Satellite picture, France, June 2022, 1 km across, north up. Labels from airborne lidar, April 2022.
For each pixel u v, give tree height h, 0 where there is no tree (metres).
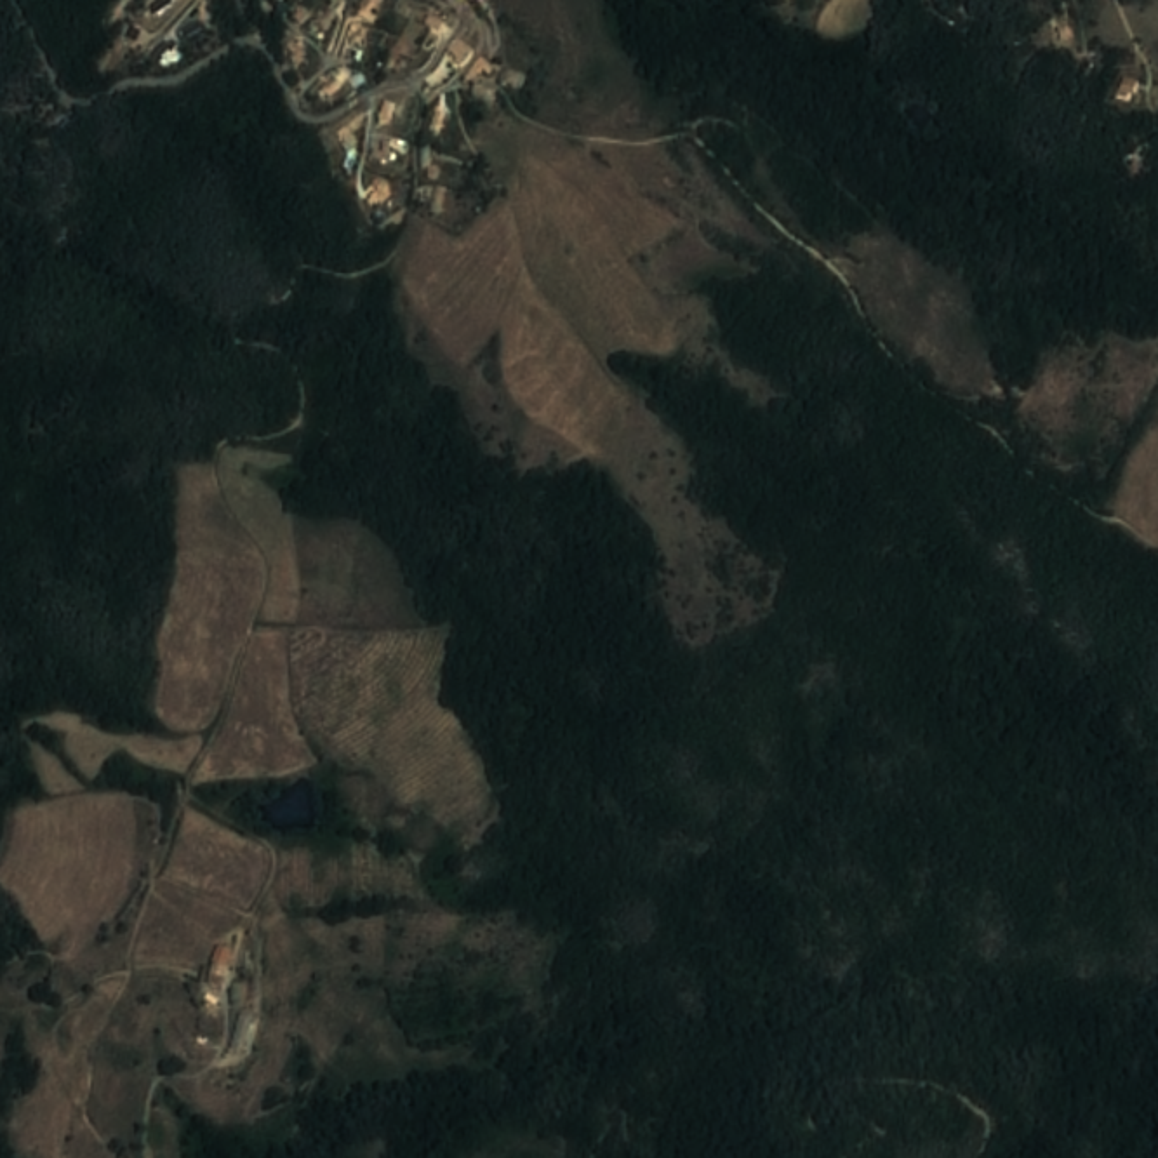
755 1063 17
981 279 10
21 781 12
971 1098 8
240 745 0
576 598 13
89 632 8
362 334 9
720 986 14
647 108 0
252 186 13
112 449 10
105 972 0
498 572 9
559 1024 10
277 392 10
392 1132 14
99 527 12
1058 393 0
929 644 11
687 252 0
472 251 0
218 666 0
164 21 0
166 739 0
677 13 25
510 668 15
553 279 0
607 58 0
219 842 0
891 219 11
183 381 8
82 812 0
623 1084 8
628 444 0
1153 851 6
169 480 10
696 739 9
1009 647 13
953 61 12
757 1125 14
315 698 0
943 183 16
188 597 0
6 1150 7
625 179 0
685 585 0
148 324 16
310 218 9
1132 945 6
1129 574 11
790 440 7
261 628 0
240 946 0
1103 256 14
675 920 10
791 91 13
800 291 7
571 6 0
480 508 19
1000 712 7
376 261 6
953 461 6
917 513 13
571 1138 11
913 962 11
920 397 9
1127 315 9
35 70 8
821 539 10
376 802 0
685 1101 17
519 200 0
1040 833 11
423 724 0
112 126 13
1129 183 11
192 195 12
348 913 13
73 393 12
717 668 7
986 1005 11
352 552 0
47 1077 0
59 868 0
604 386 0
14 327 8
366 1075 0
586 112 0
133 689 6
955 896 11
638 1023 19
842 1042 11
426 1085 18
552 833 7
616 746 8
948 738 14
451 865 12
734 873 14
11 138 9
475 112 9
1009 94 8
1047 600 8
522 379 0
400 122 0
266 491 0
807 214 6
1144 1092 18
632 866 7
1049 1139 17
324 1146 17
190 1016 0
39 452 13
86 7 11
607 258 0
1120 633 9
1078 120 10
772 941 17
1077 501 10
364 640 0
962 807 12
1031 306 10
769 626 6
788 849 11
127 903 0
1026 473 10
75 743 0
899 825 16
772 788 8
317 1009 0
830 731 6
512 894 11
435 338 0
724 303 12
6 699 19
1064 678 11
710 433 8
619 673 10
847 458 15
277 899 0
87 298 12
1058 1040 14
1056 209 12
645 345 0
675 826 11
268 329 16
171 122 10
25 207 6
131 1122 0
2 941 11
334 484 9
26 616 9
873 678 8
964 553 10
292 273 8
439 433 8
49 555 12
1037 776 8
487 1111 19
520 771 13
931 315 0
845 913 8
